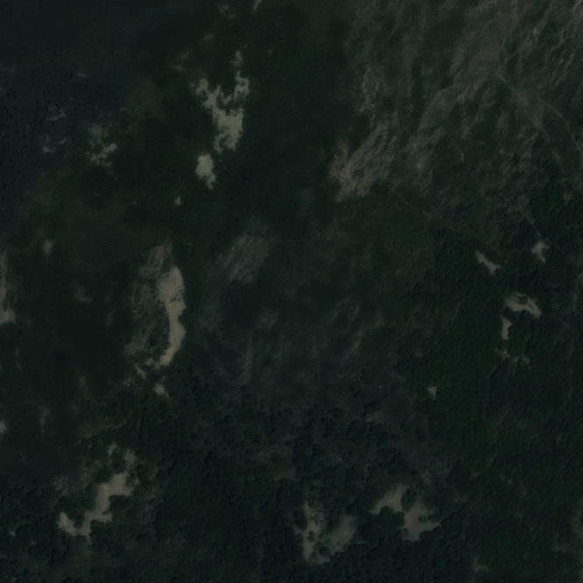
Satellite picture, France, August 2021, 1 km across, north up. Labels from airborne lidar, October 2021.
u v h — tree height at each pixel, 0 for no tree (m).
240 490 16
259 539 15
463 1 0
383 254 0
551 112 0
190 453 19
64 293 0
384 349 0
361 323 0
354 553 18
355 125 0
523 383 18
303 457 18
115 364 0
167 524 16
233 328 0
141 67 0
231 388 0
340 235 0
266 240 0
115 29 0
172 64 0
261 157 0
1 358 0
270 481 8
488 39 0
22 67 0
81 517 12
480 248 11
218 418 14
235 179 0
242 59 0
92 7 0
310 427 12
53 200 0
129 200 0
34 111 0
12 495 19
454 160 0
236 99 0
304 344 0
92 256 0
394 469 14
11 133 0
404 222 0
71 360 0
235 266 0
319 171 0
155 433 18
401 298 8
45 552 15
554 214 10
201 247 0
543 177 8
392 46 0
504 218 11
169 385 0
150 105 0
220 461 16
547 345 14
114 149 0
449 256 17
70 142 0
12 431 0
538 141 7
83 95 0
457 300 8
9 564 12
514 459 21
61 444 0
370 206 0
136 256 0
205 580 12
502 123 0
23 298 0
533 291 21
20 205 0
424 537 14
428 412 14
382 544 15
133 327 0
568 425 15
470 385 17
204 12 0
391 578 16
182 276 0
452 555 9
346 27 0
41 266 0
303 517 14
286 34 0
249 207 0
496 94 0
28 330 0
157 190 0
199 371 0
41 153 0
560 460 18
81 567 0
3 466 0
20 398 0
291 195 0
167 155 0
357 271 0
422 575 8
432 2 0
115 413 11
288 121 0
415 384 15
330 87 0
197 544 15
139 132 0
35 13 0
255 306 0
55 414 0
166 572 7
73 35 0
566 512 12
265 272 0
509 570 16
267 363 0
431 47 0
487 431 7
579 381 12
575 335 9
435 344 11
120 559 9
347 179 0
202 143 0
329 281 0
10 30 0
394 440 12
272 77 0
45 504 14
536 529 8
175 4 0
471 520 10
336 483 12
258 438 10
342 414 14
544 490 14
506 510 14
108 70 0
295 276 0
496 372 11
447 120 0
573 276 9
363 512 17
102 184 0
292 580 18
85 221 0
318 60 0
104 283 0
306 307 0
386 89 0
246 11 0
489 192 12
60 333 0
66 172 0
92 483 10
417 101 0
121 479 0
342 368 0
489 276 14
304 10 0
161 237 0
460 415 15
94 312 0
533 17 0
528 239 16
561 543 9
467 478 10
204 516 8
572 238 13
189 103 0
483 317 18
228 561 10
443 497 9
